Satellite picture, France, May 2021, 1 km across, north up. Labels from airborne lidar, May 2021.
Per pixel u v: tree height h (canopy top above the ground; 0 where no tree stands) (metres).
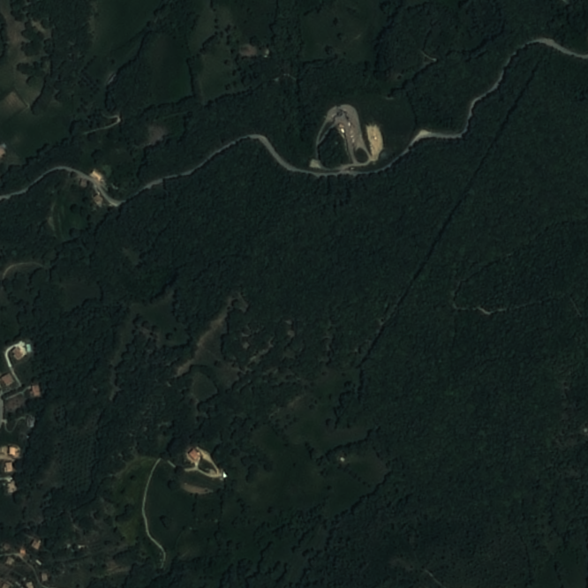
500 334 6
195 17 10
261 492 0
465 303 7
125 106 12
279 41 13
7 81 0
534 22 13
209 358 0
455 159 14
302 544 8
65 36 14
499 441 9
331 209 15
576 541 11
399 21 15
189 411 12
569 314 7
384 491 11
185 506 0
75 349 10
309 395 0
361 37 0
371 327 10
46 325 12
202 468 0
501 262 8
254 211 8
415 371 8
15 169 14
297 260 15
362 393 14
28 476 10
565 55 8
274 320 11
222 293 11
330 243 12
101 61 0
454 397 6
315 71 13
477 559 9
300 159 12
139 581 14
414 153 9
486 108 14
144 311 0
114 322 7
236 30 15
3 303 0
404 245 14
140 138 12
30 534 17
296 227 10
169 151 18
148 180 12
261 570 12
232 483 9
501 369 9
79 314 15
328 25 0
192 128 11
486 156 15
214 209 11
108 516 8
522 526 13
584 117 14
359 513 12
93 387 9
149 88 13
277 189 6
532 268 8
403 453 12
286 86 12
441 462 11
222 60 0
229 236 10
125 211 16
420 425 6
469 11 10
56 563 6
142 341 11
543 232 7
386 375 9
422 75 16
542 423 8
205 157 9
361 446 13
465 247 13
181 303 12
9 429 0
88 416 8
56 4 10
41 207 10
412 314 6
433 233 14
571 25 8
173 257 12
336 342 11
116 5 0
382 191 15
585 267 10
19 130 0
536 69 6
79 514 10
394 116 0
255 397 15
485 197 16
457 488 14
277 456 0
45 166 13
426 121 12
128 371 10
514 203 15
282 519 9
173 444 16
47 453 10
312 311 9
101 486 10
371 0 0
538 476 12
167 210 12
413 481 15
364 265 12
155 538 0
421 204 14
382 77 15
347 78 14
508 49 15
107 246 12
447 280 9
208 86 0
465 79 14
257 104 15
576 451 5
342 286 12
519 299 10
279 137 10
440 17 8
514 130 13
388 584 9
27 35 11
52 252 11
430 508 14
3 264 11
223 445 9
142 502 0
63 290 8
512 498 10
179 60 0
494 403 8
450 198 10
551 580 0
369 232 12
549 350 8
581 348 7
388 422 11
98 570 10
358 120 0
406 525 9
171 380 8
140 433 8
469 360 6
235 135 14
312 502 0
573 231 8
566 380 7
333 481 0
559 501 12
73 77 14
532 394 7
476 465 12
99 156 12
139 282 7
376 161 0
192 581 9
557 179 14
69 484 5
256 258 9
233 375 0
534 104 12
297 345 15
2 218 8
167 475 0
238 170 11
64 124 0
